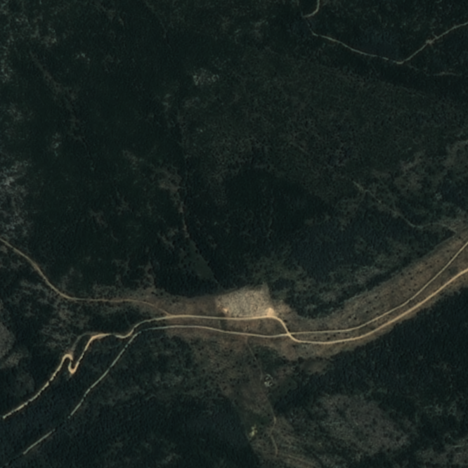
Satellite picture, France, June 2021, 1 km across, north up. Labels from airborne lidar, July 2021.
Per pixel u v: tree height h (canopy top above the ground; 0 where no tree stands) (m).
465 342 7
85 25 5
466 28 7
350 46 7
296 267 8
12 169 0
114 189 8
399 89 7
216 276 12
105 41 6
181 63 6
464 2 7
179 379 0
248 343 0
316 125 9
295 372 6
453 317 10
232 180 7
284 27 7
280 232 10
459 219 0
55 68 7
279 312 0
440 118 9
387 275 7
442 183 7
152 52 6
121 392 0
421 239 7
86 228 7
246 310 0
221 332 0
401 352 9
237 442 9
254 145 13
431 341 7
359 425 0
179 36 6
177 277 11
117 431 7
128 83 8
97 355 7
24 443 8
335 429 0
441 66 7
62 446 9
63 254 6
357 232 10
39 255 6
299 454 0
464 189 8
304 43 5
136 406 7
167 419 9
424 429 9
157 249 9
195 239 13
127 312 8
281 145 7
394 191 7
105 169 6
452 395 6
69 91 7
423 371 7
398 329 8
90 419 8
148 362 7
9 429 11
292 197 6
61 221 6
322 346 0
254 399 0
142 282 7
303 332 0
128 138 5
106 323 6
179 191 8
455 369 6
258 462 6
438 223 0
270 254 6
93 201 6
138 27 5
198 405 6
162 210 5
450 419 10
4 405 10
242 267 6
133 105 5
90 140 7
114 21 6
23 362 6
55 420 13
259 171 8
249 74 10
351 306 0
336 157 14
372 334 0
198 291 12
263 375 0
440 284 0
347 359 9
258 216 9
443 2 6
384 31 8
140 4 7
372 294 0
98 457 8
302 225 7
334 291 0
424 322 6
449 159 0
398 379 9
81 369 6
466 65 8
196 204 6
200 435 12
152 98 7
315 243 7
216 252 6
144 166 6
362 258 8
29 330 11
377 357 8
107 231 8
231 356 0
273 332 0
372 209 5
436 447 8
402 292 0
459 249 0
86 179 6
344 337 0
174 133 6
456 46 7
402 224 7
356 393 0
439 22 6
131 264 8
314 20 9
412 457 6
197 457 7
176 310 0
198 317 0
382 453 10
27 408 10
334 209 9
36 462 6
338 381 7
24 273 6
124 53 5
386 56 12
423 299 0
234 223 7
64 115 6
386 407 6
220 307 0
